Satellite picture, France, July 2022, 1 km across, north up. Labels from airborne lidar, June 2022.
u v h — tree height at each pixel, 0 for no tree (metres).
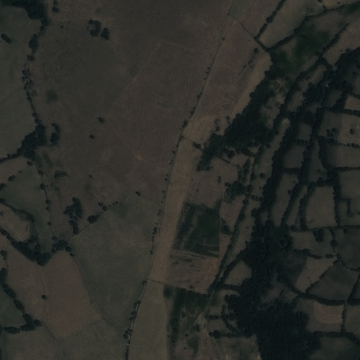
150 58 0
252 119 16
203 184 0
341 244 0
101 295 0
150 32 0
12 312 0
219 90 0
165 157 0
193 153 0
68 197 0
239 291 17
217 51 0
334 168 14
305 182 20
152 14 0
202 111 0
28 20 0
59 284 0
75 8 0
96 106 0
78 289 0
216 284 16
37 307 0
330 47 14
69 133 0
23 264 0
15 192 0
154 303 0
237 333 11
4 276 17
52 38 0
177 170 0
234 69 0
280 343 14
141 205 0
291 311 17
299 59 0
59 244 15
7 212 0
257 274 20
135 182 0
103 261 0
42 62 0
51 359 0
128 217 0
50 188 0
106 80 0
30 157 19
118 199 0
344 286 0
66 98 0
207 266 0
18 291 0
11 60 0
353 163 0
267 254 9
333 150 0
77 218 13
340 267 0
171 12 0
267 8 0
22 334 0
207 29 0
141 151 0
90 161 0
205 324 0
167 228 0
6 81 0
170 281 0
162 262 0
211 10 0
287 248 19
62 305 0
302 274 0
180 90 0
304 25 15
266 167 0
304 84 0
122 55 0
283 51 0
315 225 0
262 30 12
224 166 0
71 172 0
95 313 0
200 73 0
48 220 0
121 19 0
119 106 0
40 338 0
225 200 0
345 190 0
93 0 0
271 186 19
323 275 9
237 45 0
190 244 0
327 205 0
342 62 16
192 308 0
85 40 0
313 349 12
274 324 17
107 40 8
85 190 0
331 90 14
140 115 0
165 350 0
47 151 0
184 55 0
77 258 0
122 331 0
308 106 18
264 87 9
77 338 0
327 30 0
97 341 0
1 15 0
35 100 0
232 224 0
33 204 0
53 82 0
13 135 0
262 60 0
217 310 0
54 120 0
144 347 0
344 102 15
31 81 8
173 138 0
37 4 15
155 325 0
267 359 12
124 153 0
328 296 0
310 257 8
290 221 0
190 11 0
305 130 0
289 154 0
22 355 0
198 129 0
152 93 0
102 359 0
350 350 0
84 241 0
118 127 0
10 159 7
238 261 8
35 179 0
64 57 0
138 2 0
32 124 0
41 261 19
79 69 0
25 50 0
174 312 0
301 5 0
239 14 0
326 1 0
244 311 25
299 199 0
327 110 8
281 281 20
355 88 0
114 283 0
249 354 0
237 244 0
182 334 0
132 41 0
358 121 0
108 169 0
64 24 0
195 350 0
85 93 0
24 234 0
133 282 0
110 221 0
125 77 0
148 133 0
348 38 0
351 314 0
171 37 0
